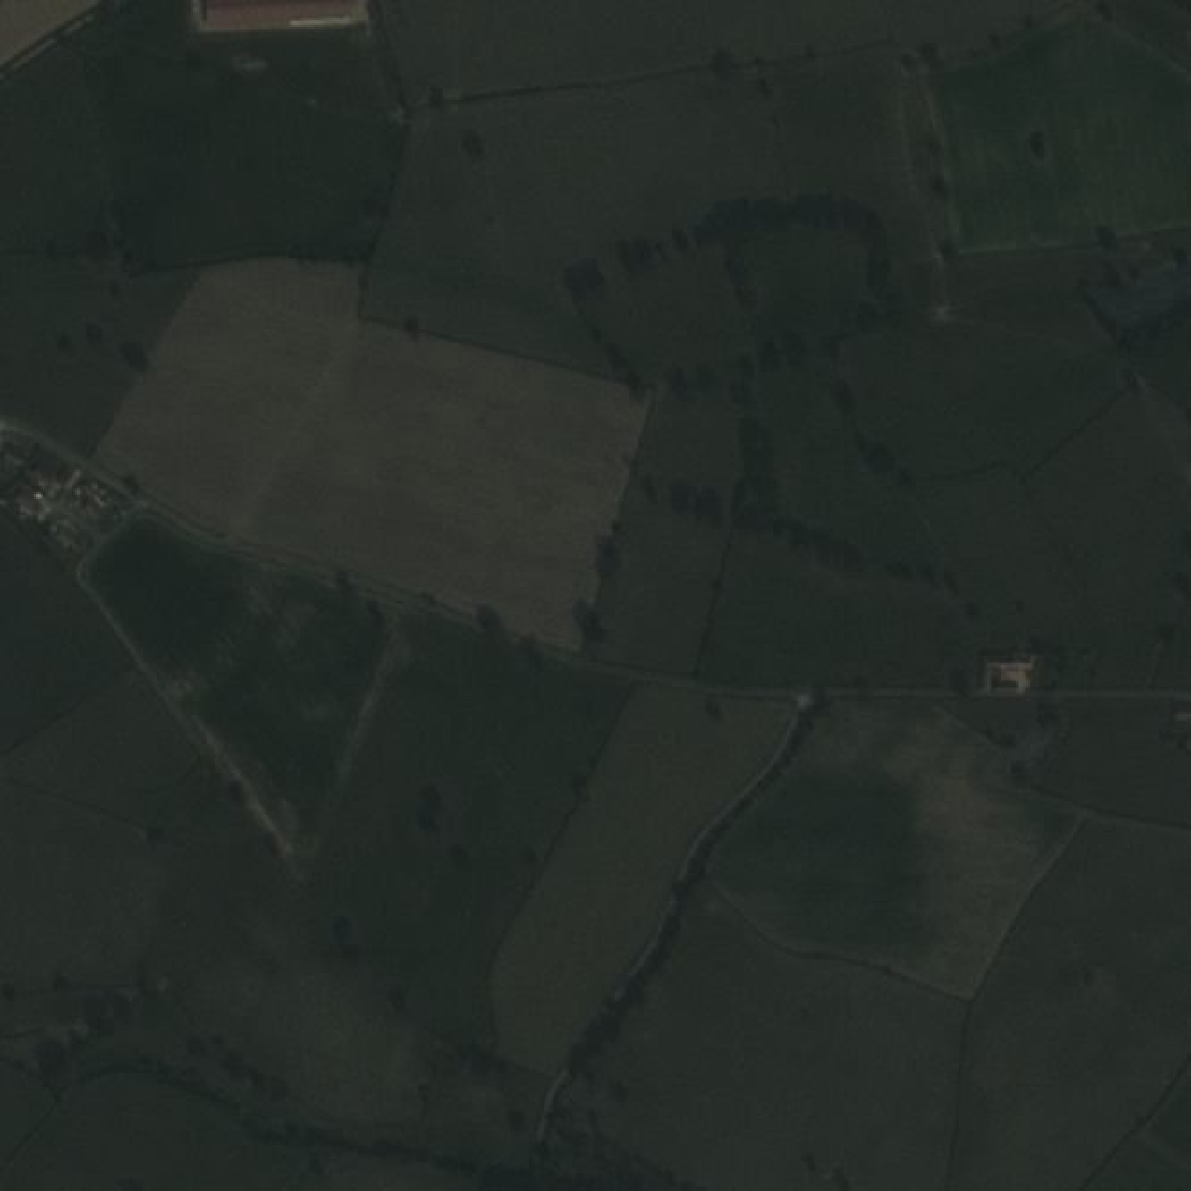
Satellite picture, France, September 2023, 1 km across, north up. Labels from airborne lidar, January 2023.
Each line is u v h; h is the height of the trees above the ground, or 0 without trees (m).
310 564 0
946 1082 0
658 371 0
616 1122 0
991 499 0
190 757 0
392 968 0
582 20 0
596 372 0
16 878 0
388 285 0
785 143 0
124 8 11
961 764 0
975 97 0
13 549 0
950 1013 0
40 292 0
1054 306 0
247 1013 0
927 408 0
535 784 0
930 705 0
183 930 0
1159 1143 0
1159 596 0
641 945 0
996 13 0
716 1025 0
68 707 0
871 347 0
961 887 0
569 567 0
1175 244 0
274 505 0
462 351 0
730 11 0
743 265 18
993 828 0
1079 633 0
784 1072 0
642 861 0
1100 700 0
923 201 0
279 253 0
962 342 0
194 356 0
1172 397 0
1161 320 7
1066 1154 0
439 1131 0
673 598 0
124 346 0
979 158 0
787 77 0
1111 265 0
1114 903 0
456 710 0
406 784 0
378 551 0
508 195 0
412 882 0
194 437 0
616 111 0
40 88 0
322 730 0
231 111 0
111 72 0
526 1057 0
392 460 0
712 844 8
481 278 0
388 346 0
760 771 0
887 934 0
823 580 0
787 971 0
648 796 0
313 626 0
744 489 7
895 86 0
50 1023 0
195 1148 0
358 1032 0
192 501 0
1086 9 0
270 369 0
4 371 0
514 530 0
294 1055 0
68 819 0
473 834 0
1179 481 0
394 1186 0
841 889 0
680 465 0
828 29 0
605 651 0
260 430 0
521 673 0
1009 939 0
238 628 0
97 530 0
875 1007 0
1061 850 0
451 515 0
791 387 0
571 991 0
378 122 0
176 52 0
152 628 0
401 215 0
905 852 0
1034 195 0
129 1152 0
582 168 0
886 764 0
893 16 0
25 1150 0
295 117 0
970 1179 0
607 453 0
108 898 0
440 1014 0
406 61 0
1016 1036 0
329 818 0
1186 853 0
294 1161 0
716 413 0
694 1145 0
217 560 0
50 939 0
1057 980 0
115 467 0
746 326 0
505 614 0
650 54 0
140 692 0
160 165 0
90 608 0
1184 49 0
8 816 0
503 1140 0
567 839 0
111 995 0
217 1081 0
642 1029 0
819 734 0
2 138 0
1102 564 0
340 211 0
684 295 0
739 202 0
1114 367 0
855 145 0
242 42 0
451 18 0
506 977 0
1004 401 0
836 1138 0
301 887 0
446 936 0
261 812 0
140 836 0
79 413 0
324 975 0
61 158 0
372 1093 0
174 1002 0
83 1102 0
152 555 0
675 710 0
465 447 0
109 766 0
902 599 0
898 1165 0
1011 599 0
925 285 0
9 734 0
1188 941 0
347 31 0
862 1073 0
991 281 0
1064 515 0
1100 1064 0
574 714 0
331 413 0
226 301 0
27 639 0
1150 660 0
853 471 0
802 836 0
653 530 0
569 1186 6
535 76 0
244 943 0
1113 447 0
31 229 0
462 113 0
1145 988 0
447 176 0
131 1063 0
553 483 0
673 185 0
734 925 0
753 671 0
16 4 0
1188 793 0
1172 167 0
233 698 0
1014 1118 0
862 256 0
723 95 0
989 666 0
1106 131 0
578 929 0
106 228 0
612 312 0
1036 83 0
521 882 0
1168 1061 0
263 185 0
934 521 0
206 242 0
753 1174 0
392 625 0
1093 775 0
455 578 0
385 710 0
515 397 0
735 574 0
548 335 0
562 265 0
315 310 0
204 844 0
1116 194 0
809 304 0
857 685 8
